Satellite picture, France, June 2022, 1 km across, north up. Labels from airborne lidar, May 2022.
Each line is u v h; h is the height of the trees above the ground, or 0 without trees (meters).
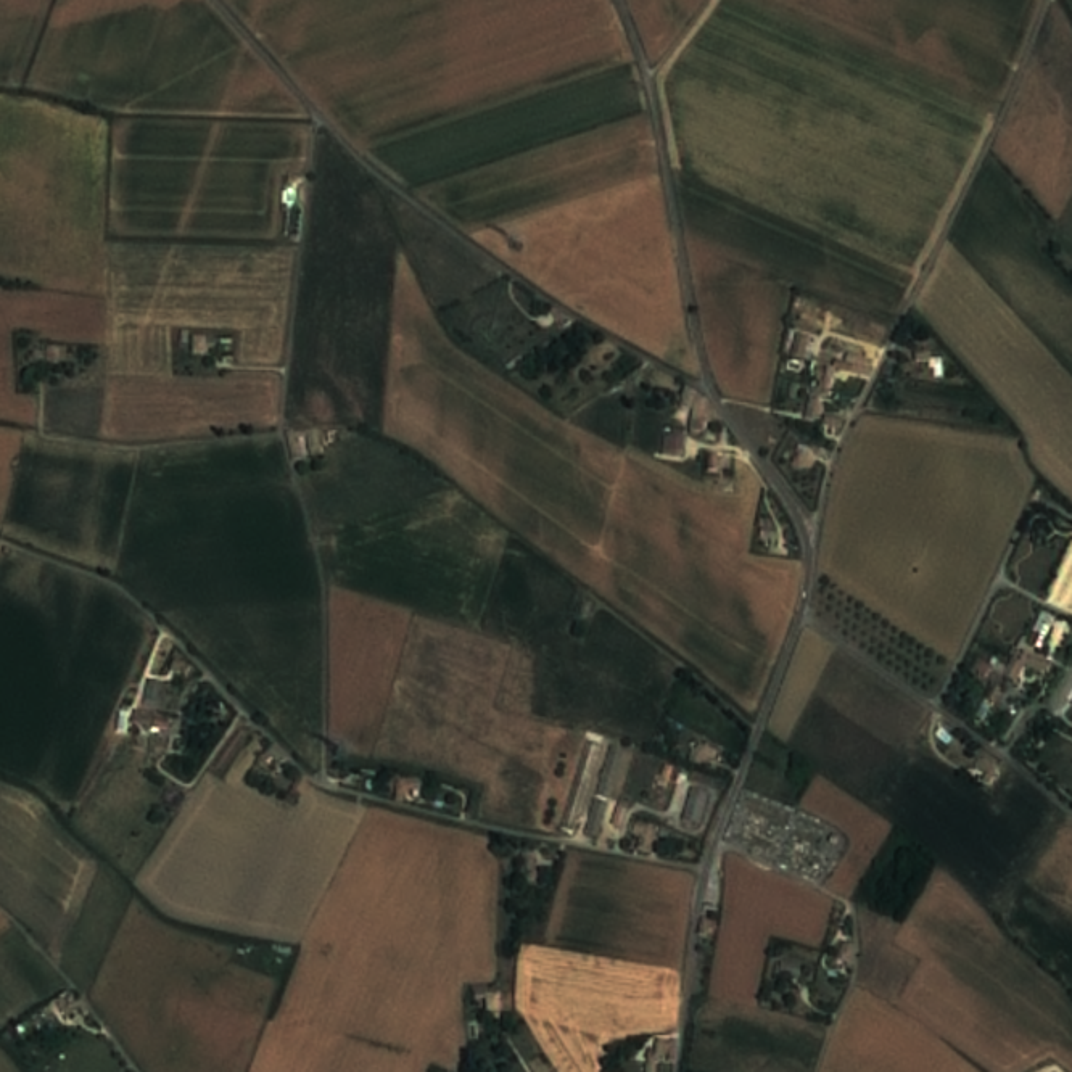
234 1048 0
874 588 0
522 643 0
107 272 0
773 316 0
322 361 0
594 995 0
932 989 0
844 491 0
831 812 0
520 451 0
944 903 0
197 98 0
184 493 0
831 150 0
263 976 0
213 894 0
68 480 0
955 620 0
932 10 0
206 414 0
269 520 0
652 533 0
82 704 0
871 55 0
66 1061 0
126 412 0
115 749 0
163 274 0
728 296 0
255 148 0
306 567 0
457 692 0
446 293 0
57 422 0
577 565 0
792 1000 13
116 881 0
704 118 0
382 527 0
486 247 0
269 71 0
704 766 7
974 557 0
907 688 0
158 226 0
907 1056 0
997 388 0
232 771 0
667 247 0
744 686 0
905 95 0
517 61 0
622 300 0
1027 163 0
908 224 0
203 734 9
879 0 0
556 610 0
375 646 0
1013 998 0
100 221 0
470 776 0
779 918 0
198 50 0
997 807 0
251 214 0
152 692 0
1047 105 0
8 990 0
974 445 0
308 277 0
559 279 0
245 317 0
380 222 0
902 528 0
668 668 0
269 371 0
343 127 0
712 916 16
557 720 0
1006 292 0
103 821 0
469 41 0
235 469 0
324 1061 0
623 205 0
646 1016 0
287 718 0
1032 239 0
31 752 0
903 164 0
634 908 0
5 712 0
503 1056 19
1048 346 0
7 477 0
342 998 0
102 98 0
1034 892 0
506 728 0
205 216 0
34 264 0
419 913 0
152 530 0
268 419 0
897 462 0
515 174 0
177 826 0
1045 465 0
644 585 0
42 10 0
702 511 0
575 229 0
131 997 0
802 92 0
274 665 0
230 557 0
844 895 0
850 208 0
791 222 0
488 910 0
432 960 0
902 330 12
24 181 0
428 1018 0
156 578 0
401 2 0
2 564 0
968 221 0
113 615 0
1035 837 0
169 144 0
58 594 0
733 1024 0
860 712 0
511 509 0
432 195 0
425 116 0
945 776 0
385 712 0
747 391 0
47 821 0
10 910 0
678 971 0
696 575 0
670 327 0
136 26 0
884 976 0
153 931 0
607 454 0
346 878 0
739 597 0
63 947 0
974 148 0
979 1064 0
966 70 0
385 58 0
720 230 0
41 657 0
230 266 0
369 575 0
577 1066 0
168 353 0
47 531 0
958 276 0
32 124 0
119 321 0
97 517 0
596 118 0
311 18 0
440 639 0
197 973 0
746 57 0
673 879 0
